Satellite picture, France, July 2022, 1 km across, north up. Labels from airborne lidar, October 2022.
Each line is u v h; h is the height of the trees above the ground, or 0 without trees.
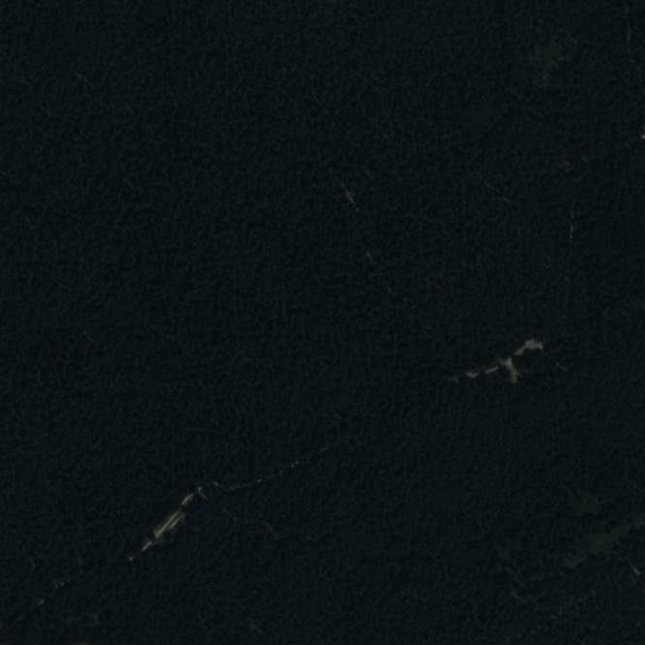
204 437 27
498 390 15
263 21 22
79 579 12
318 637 9
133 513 18
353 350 23
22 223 22
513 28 24
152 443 18
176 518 0
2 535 20
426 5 25
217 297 21
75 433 21
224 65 20
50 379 22
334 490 20
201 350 11
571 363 9
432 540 18
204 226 18
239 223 17
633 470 19
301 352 18
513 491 18
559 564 7
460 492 16
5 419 22
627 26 8
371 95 15
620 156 17
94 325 17
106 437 21
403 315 20
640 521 0
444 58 28
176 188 26
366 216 23
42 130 23
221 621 22
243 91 16
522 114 25
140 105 25
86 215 23
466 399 16
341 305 21
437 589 32
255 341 24
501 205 18
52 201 8
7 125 19
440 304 16
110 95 22
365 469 22
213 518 13
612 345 30
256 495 21
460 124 27
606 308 17
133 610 14
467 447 14
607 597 20
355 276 22
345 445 15
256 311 22
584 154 20
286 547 18
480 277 25
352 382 12
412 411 8
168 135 18
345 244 24
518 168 26
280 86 23
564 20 28
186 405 23
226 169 27
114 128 24
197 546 21
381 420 17
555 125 27
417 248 16
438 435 16
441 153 25
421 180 28
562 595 17
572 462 13
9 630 20
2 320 23
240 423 18
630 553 14
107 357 21
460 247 15
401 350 21
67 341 10
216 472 18
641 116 16
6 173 28
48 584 15
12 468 12
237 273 17
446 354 21
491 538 21
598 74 30
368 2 25
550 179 28
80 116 20
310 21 13
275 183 8
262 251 22
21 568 14
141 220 30
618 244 22
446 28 20
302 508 21
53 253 23
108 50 10
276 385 20
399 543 25
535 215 26
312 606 17
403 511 18
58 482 21
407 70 27
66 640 17
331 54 23
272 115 30
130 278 18
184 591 13
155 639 19
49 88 27
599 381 17
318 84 13
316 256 21
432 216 31
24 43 19
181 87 31
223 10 13
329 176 25
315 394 20
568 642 21
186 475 15
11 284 20
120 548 17
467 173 25
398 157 24
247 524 20
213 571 17
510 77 16
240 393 23
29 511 17
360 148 5
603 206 16
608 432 20
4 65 21
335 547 29
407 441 18
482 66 25
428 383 21
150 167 14
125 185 25
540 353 11
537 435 17
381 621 21
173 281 19
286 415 24
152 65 20
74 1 21
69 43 19
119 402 12
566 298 22
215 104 19
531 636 9
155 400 22
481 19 24
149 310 32
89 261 26
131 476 16
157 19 17
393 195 24
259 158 30
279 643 25
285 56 20
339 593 28
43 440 20
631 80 15
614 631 15
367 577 17
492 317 22
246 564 17
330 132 24
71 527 15
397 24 25
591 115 24
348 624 19
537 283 28
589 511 0
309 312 24
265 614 21
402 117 17
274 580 16
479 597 19
